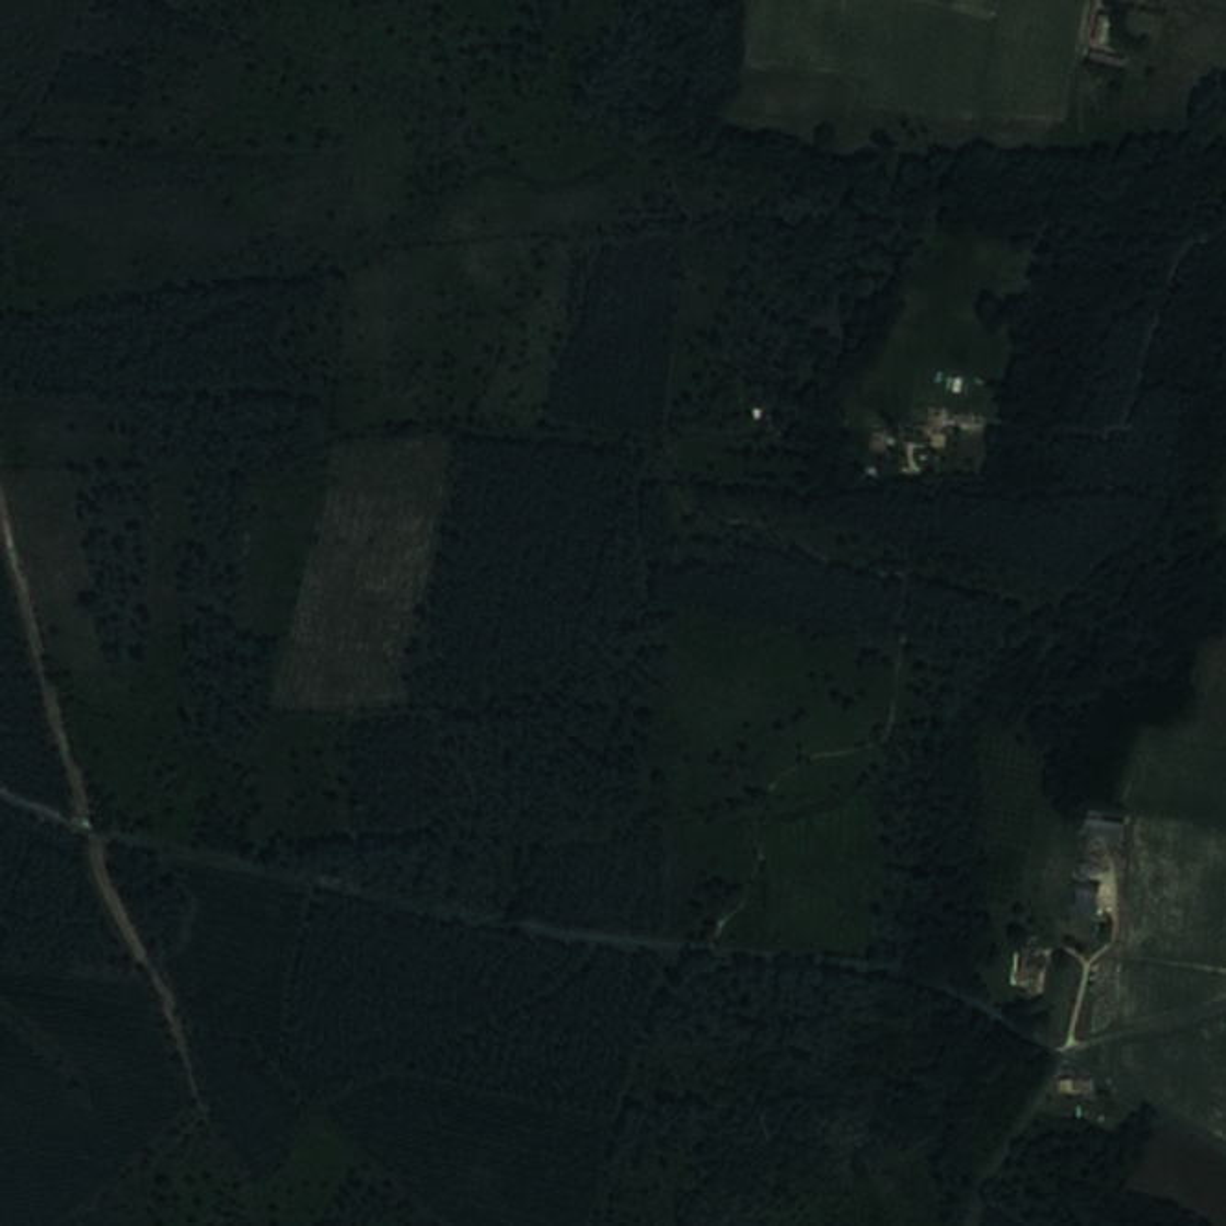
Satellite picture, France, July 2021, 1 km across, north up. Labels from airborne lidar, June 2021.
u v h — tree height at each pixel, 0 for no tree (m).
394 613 0
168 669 0
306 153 0
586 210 0
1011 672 20
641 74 24
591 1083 14
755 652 0
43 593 0
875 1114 15
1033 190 19
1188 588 25
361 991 15
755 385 10
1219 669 0
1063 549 18
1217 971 0
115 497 24
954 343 0
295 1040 13
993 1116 6
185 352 16
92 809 7
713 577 16
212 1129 6
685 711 0
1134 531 21
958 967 22
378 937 16
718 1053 13
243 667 24
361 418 0
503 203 0
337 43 0
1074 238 22
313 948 13
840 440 18
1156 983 0
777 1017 7
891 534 13
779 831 0
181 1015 8
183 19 9
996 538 19
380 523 0
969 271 0
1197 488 22
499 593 17
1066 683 14
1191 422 18
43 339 19
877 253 24
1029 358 26
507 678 16
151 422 22
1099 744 12
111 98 9
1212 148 7
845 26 0
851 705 15
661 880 10
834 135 11
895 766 10
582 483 17
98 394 19
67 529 0
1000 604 14
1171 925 0
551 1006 14
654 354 10
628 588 24
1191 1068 0
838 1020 28
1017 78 0
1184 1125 0
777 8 0
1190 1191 0
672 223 9
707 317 0
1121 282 18
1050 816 0
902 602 15
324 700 0
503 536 17
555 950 14
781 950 0
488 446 16
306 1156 0
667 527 13
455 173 16
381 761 11
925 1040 8
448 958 15
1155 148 19
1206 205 6
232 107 0
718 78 27
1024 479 22
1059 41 0
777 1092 7
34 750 14
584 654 18
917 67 0
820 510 16
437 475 0
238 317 23
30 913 20
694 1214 11
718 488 15
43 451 0
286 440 21
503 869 26
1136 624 27
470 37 11
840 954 9
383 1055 14
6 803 10
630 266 8
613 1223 9
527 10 11
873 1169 22
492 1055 15
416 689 14
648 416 9
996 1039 23
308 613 0
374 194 0
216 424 24
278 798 0
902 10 0
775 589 14
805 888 0
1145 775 0
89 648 0
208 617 22
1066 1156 16
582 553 17
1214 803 0
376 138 0
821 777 0
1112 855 0
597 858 13
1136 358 18
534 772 23
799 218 7
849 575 14
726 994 24
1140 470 20
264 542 0
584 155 0
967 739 17
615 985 14
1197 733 0
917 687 6
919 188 26
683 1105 21
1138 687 11
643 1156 21
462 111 7
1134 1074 0
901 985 22
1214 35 0
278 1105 9
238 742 25
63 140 8
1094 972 0
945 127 0
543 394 0
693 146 12
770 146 24
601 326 9
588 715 22
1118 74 8
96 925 21
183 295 18
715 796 0
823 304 11
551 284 0
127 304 18
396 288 0
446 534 15
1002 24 0
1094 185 17
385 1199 11
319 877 24
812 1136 8
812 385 11
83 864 21
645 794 20
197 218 0
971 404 0
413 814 12
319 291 17
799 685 0
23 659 15
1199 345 12
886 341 21
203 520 25
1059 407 14
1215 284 15
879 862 0
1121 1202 9
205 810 7
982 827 17
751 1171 11
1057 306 17
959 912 24
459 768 21
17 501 0
